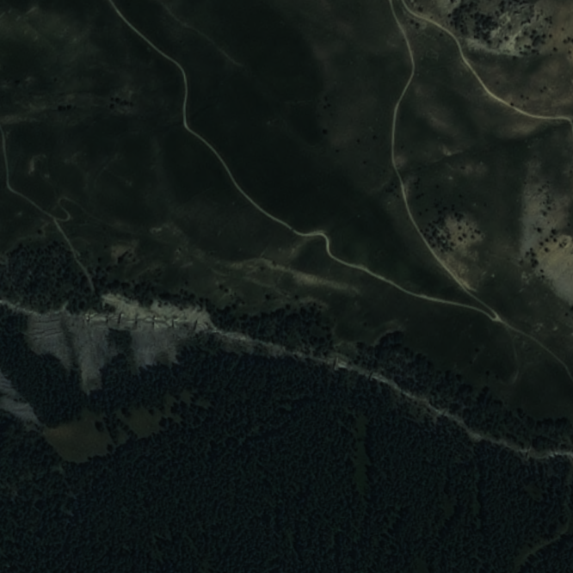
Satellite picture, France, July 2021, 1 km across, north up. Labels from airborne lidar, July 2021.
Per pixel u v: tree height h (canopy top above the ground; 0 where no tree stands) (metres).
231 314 15
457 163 0
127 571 21
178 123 0
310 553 21
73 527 22
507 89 0
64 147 0
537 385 0
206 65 0
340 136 0
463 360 0
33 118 0
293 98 0
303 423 29
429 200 0
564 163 0
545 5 0
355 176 0
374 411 26
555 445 15
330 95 0
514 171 0
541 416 0
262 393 26
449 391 25
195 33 0
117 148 0
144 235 0
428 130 0
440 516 22
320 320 13
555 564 20
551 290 0
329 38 0
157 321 0
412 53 0
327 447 26
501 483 24
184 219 0
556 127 0
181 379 20
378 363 17
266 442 26
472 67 0
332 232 0
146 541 24
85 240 0
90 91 0
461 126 0
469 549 23
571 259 0
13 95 0
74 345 0
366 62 0
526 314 0
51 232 0
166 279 0
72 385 17
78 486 21
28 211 0
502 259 0
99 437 0
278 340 9
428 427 15
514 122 0
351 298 0
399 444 25
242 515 23
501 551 23
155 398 25
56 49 0
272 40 0
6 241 0
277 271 0
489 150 0
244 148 0
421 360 24
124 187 0
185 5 0
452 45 0
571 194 0
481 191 0
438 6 0
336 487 28
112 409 23
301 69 0
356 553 24
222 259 0
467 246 0
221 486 24
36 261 13
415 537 19
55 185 0
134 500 23
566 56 0
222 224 0
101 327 0
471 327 0
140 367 0
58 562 23
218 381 27
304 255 0
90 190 0
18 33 0
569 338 0
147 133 0
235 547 23
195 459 26
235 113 0
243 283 0
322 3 0
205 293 0
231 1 0
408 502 24
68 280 11
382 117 0
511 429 21
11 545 23
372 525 22
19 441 6
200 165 0
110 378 16
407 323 0
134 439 14
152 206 0
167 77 0
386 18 0
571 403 0
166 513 27
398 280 0
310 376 23
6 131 0
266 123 0
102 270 9
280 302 0
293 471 28
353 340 0
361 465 0
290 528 23
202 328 0
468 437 9
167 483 25
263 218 0
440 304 0
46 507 24
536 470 16
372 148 0
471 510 28
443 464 24
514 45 0
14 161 0
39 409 16
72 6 0
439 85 0
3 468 23
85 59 0
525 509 24
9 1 0
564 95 0
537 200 0
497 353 0
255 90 0
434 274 0
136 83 0
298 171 0
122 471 23
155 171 0
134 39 0
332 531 24
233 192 0
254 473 21
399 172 0
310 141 0
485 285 0
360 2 0
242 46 0
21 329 8
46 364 22
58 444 0
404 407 6
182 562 21
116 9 0
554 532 25
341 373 13
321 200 0
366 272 0
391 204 0
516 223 0
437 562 10
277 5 0
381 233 0
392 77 0
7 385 0
